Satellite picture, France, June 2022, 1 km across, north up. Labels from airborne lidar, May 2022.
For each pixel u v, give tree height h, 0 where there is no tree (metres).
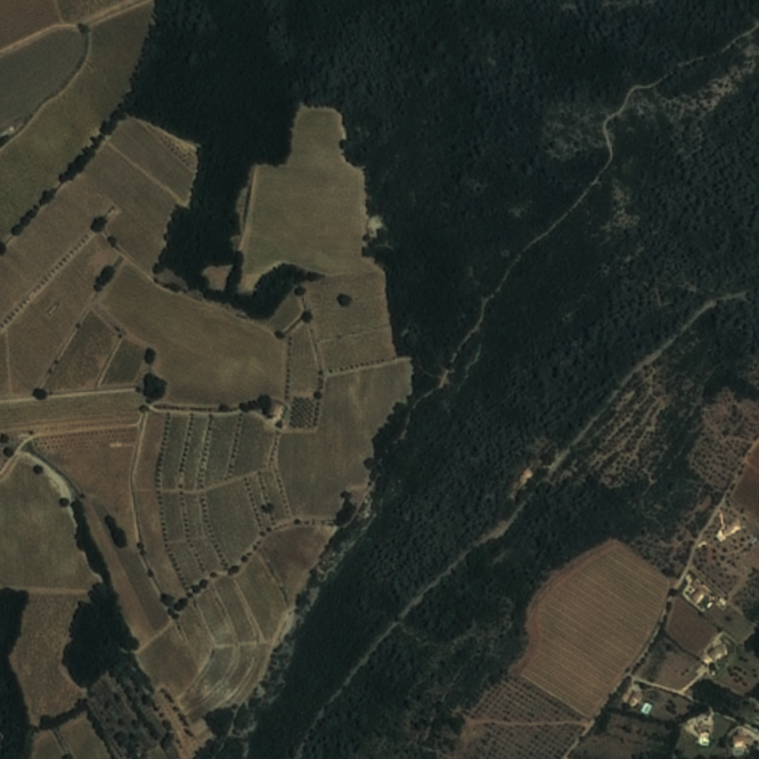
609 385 18
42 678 0
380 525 8
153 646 0
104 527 0
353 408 0
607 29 21
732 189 22
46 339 0
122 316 0
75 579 0
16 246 0
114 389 0
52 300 0
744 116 12
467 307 8
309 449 0
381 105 15
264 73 11
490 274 8
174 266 11
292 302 0
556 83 9
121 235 0
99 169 0
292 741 13
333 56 15
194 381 0
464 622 16
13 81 0
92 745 0
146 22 0
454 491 17
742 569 0
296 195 0
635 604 0
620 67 9
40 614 0
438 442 11
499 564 7
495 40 8
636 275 21
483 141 14
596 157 13
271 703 6
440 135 13
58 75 0
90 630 13
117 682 8
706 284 14
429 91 10
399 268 17
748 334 17
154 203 0
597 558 0
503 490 22
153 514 0
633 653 0
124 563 0
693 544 6
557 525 9
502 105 8
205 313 0
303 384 0
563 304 10
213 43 12
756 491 0
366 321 0
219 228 10
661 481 9
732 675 6
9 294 0
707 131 15
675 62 15
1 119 0
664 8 12
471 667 6
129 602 0
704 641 0
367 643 11
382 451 7
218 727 7
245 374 0
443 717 10
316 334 0
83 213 0
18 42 0
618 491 11
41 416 0
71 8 0
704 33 9
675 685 0
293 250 0
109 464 0
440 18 9
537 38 11
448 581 13
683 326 17
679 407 6
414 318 7
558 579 0
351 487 0
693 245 6
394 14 11
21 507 0
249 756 7
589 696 0
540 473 11
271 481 0
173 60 11
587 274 9
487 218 6
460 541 14
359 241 0
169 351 0
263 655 0
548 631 0
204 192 11
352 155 7
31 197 0
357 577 10
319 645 13
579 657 0
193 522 0
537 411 15
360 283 0
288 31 15
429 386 7
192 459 0
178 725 0
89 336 0
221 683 0
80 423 0
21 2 0
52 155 0
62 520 0
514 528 11
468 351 7
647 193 10
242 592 0
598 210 8
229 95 10
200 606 0
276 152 11
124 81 0
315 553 0
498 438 20
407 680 11
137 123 0
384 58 21
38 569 0
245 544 0
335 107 12
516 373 19
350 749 21
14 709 9
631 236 21
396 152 7
